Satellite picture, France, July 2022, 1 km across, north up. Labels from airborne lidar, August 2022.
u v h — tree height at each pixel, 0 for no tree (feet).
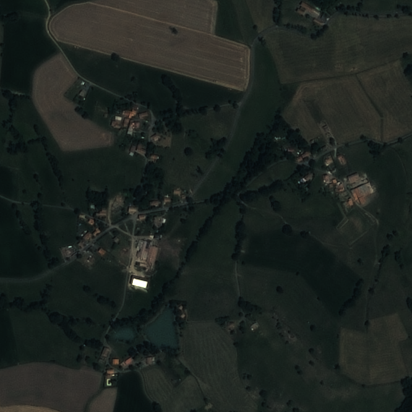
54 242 0
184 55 0
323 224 0
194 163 0
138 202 44
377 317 0
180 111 57
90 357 31
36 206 67
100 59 0
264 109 0
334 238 0
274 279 0
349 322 0
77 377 0
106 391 0
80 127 0
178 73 0
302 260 0
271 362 0
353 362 0
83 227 0
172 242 0
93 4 0
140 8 0
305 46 0
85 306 0
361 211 0
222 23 0
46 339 0
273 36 0
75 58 0
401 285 0
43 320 0
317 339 0
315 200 0
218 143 50
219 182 0
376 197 0
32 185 0
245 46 0
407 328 0
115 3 0
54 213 0
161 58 0
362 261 42
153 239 0
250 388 31
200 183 0
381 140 0
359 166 0
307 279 0
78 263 0
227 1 0
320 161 0
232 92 0
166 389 0
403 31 0
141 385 0
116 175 0
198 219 0
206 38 0
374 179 0
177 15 0
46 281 0
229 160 0
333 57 0
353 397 0
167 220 0
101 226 37
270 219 0
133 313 0
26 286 0
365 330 0
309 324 0
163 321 0
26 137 0
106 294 0
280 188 37
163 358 0
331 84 0
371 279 0
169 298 0
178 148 0
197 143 0
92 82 0
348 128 0
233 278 0
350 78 0
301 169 72
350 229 0
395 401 0
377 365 0
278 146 19
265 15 0
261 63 0
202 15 0
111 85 0
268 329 0
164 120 41
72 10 0
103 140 0
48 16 0
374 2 0
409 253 0
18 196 0
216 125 0
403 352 0
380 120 0
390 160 0
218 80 0
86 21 0
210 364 0
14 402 0
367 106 0
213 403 0
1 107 0
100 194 47
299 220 0
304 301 0
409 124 0
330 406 0
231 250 0
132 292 0
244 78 0
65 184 0
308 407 0
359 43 0
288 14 0
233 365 0
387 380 0
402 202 0
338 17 0
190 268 0
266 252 0
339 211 0
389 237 46
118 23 0
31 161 0
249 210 0
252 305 31
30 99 24
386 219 0
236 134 0
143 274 0
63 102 0
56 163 41
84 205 0
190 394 0
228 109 0
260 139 38
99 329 0
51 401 0
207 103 0
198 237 44
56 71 0
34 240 0
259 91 0
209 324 0
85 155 0
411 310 34
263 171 52
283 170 0
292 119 0
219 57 0
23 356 0
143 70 0
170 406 0
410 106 0
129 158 0
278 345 0
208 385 0
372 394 0
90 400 0
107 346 0
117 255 0
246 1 0
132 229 0
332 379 0
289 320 0
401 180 0
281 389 0
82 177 0
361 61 0
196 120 0
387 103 0
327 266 0
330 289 0
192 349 0
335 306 0
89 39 0
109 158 0
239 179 20
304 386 0
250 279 0
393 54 0
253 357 0
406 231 0
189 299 0
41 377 0
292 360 0
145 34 0
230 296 0
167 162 0
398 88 0
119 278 0
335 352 0
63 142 0
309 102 0
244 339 0
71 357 0
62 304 0
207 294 0
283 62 0
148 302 0
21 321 0
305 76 0
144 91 0
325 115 0
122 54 0
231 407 0
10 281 0
